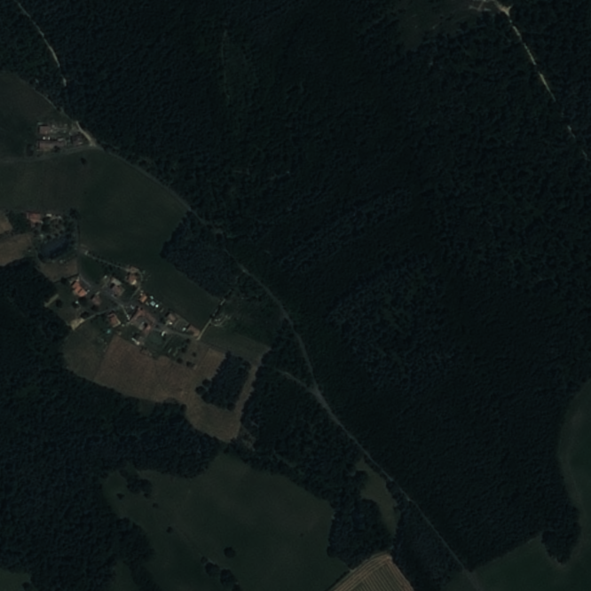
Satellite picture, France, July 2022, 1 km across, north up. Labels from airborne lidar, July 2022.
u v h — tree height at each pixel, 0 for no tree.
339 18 17
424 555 18
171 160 21
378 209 18
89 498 18
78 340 0
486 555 16
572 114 25
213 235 17
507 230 19
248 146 14
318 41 15
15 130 0
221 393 19
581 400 0
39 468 25
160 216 0
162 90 14
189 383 0
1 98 0
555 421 15
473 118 23
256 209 17
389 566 0
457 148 25
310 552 0
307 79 16
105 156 0
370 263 16
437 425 13
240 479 0
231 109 11
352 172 22
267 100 16
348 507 24
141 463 18
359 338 23
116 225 0
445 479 18
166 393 0
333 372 14
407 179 18
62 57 17
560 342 17
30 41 15
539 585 0
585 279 24
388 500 0
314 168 20
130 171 0
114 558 19
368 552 22
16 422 28
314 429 7
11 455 26
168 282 0
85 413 12
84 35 19
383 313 24
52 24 24
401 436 15
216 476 0
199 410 0
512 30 22
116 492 0
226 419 0
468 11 0
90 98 27
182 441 24
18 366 18
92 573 20
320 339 12
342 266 17
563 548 21
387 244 15
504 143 24
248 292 7
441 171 23
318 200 26
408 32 0
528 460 15
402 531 14
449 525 14
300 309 10
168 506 0
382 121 18
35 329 8
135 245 0
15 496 19
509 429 15
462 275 17
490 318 11
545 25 23
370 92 15
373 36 15
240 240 18
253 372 0
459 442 18
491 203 21
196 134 17
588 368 9
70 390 14
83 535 19
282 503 0
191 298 0
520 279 23
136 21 17
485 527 17
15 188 0
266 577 0
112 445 24
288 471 26
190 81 18
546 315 10
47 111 0
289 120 13
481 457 17
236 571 0
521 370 14
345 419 14
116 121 19
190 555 0
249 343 0
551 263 22
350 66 15
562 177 21
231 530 0
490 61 20
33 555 16
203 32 8
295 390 10
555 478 15
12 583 0
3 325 8
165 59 18
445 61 19
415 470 14
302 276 14
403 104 20
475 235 22
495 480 19
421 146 22
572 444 0
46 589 11
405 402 15
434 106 18
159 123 9
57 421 19
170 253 23
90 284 0
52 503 24
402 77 22
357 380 15
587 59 26
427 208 7
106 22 17
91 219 0
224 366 15
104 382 0
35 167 0
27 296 23
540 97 20
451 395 16
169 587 0
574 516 24
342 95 17
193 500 0
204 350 0
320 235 21
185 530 0
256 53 14
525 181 27
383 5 14
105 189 0
